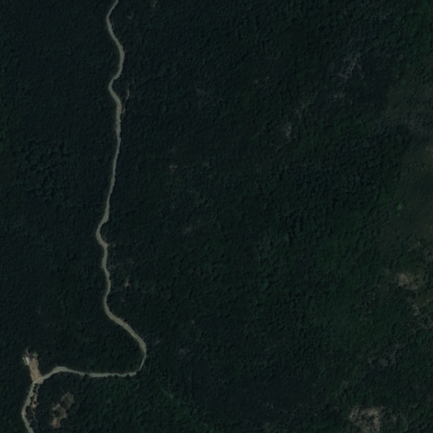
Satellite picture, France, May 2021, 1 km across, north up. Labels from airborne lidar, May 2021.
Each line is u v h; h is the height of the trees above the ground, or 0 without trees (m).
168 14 16
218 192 10
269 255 19
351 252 10
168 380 18
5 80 21
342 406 13
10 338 18
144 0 8
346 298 17
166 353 20
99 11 16
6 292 20
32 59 19
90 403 17
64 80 14
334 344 14
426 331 13
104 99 20
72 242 15
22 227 19
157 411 15
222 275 16
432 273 10
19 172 28
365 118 22
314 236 9
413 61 12
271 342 10
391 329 7
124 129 13
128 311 17
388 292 7
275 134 11
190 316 14
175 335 17
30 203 16
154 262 11
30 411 10
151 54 12
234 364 18
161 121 19
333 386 17
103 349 21
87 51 13
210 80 7
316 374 13
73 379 14
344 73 7
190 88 10
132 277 13
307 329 17
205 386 12
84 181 17
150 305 24
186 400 9
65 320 30
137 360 19
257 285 17
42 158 28
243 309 26
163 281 25
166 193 11
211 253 20
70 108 16
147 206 24
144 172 18
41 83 16
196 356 14
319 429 10
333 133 24
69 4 14
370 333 15
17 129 24
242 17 12
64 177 22
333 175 22
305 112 17
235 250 18
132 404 16
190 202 10
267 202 13
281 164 15
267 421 8
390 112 6
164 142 10
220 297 19
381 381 15
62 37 10
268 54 9
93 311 16
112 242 12
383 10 9
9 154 23
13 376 14
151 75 11
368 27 17
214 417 20
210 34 21
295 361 15
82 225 16
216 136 11
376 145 18
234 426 20
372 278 6
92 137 18
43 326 10
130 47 15
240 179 10
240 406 15
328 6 20
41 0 14
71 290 23
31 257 12
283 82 23
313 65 22
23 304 16
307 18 26
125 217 21
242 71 19
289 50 18
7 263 16
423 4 23
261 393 9
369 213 9
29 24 20
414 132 8
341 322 22
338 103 7
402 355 6
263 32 15
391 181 14
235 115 22
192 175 7
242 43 21
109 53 14
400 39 9
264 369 12
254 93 13
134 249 11
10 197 39
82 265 18
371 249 11
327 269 10
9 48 32
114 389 16
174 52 12
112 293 7
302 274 16
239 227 21
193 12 15
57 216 15
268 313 18
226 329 14
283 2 22
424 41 20
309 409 10
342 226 25
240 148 11
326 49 27
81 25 16
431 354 9
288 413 10
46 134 15
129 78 13
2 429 16
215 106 11
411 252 8
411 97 6
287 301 18
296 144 20
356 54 6
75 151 15
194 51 14
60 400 14
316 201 28
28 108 16
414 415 21
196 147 12
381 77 13
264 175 15
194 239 14
